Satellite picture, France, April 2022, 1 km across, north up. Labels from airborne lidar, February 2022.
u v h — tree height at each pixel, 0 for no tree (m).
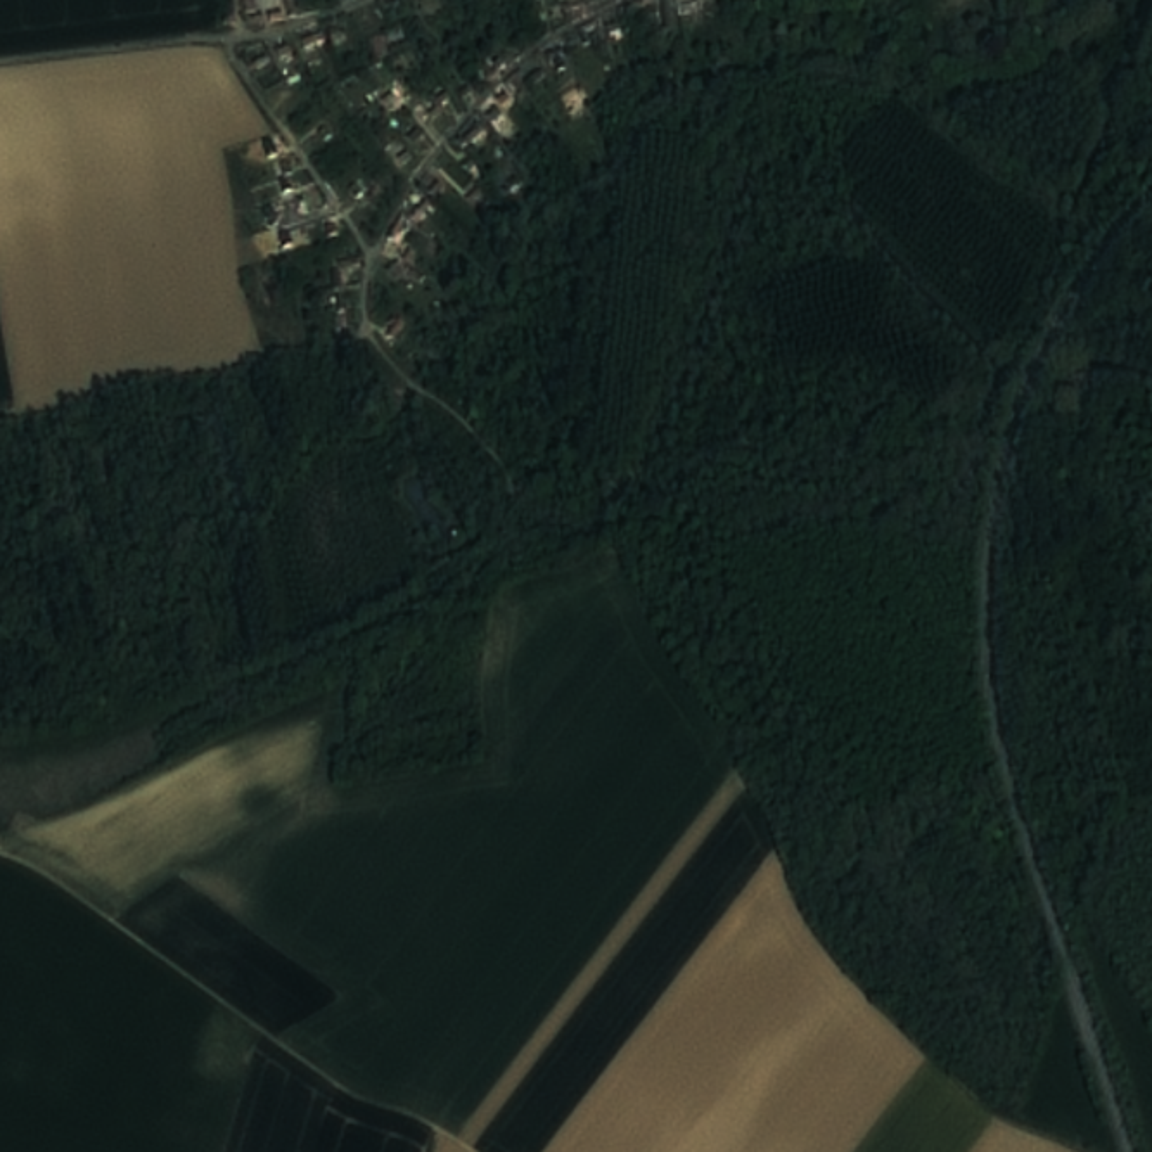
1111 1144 0
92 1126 0
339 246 6
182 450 13
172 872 0
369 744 17
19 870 0
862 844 15
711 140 21
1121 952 19
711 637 12
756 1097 0
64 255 0
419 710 14
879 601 19
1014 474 22
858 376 9
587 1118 0
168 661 20
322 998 0
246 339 0
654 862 0
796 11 22
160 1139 0
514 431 17
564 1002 0
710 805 0
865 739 19
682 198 32
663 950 0
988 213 11
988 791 21
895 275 21
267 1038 0
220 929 0
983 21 17
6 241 0
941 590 19
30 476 24
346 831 0
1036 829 23
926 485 17
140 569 18
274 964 0
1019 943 19
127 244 0
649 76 20
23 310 0
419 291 0
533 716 0
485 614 8
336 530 8
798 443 23
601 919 0
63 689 21
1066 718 8
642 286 31
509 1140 0
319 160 7
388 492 7
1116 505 22
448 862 0
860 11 21
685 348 18
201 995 0
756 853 0
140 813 0
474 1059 0
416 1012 0
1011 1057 20
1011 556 14
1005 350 16
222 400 21
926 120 24
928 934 23
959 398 26
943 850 20
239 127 0
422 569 10
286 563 9
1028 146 35
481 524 29
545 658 0
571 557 22
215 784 0
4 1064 0
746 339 8
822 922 12
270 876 0
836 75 23
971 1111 0
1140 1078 0
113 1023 0
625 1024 0
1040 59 27
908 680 20
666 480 24
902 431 22
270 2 0
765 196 28
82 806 0
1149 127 7
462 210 0
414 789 0
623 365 33
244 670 22
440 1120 0
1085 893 21
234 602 11
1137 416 10
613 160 11
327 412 14
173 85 0
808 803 23
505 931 0
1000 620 20
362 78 13
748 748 18
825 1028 0
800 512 19
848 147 8
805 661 19
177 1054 0
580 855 0
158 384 9
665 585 22
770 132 20
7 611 24
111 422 31
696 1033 0
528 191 0
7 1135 0
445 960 0
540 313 17
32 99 0
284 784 0
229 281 0
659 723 0
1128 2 35
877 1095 0
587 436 26
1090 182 7
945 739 19
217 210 0
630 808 0
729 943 0
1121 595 7
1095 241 25
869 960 13
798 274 10
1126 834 20
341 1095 0
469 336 23
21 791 0
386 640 20
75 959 0
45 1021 0
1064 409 28
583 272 36
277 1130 0
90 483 19
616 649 0
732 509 25
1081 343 34
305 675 24
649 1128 0
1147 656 27
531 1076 0
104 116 0
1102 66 29
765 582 20
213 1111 0
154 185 0
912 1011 18
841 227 24
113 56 0
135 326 0
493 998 0
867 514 22
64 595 30
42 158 0
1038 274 11
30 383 0
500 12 10
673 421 25
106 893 0
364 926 0
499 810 0
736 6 10
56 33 0
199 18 0
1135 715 9
